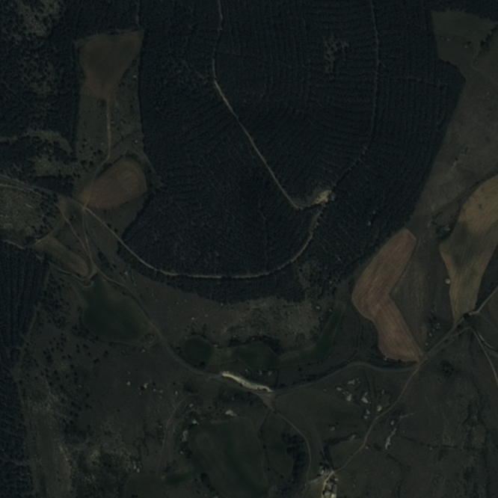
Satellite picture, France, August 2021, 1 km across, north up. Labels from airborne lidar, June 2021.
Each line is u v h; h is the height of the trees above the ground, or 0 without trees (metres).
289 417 0
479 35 0
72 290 0
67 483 0
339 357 0
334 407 0
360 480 0
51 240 0
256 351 0
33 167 8
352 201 13
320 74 12
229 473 0
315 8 11
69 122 15
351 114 16
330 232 12
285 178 10
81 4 13
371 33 13
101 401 0
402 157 13
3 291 15
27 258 11
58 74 14
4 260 14
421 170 14
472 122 0
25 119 10
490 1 14
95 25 15
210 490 6
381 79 11
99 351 0
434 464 0
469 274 0
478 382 0
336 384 0
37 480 0
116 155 0
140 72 13
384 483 0
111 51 0
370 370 0
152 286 0
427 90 13
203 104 11
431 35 15
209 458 0
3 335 12
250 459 0
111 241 0
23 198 0
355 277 0
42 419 0
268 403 0
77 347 8
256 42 12
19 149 14
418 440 0
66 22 15
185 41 14
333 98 11
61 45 15
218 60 11
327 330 0
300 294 11
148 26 12
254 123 15
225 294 12
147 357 0
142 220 13
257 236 14
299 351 0
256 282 13
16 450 9
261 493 0
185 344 0
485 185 0
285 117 16
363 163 13
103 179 0
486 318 0
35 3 10
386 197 13
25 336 10
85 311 0
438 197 0
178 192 11
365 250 10
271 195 14
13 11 6
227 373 0
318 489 0
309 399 0
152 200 13
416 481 0
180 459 0
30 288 12
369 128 16
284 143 14
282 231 13
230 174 10
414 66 15
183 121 10
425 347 0
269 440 0
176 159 11
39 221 0
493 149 0
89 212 0
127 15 14
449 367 9
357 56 15
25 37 9
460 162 0
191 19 12
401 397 0
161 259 10
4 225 0
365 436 0
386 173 14
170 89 11
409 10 16
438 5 13
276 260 12
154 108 14
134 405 0
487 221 0
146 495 0
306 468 0
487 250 0
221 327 0
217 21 11
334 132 13
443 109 13
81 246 0
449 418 0
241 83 11
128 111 0
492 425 0
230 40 13
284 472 0
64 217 0
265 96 10
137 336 0
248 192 17
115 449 0
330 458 8
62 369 0
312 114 14
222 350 0
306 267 0
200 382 0
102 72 0
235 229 10
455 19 0
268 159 9
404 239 0
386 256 0
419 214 0
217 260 11
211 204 11
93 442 0
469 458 0
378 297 0
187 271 13
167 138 13
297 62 9
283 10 12
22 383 8
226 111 12
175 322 0
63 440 0
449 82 14
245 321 0
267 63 11
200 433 0
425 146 15
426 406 0
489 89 0
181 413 0
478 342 0
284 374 0
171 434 0
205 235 11
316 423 0
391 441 0
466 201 0
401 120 12
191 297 0
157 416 0
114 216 0
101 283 0
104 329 0
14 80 11
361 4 15
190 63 9
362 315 0
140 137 0
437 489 0
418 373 0
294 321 0
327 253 9
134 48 0
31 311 12
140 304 0
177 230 12
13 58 9
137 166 0
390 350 0
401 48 14
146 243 10
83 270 0
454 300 0
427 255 0
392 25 13
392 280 0
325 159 11
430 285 0
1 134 11
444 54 0
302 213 11
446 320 0
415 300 0
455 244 0
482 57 0
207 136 11
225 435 0
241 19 12
